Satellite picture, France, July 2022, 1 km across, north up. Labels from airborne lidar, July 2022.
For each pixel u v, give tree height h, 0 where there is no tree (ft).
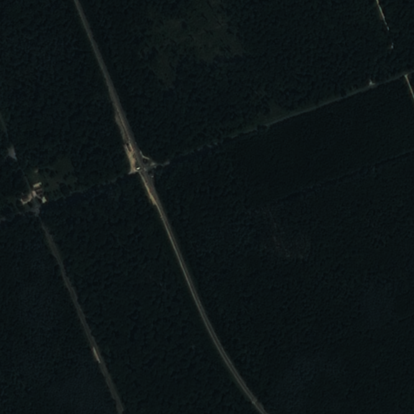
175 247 0
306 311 73
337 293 79
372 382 58
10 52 80
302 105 91
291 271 82
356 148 30
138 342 102
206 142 33
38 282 70
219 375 33
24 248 80
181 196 90
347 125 48
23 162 75
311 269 68
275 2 78
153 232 94
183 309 90
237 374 0
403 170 61
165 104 85
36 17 87
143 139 74
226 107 90
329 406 85
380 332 56
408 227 78
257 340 73
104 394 72
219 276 65
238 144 38
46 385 79
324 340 76
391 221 75
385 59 91
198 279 39
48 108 105
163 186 38
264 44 83
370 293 80
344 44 88
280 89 36
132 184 78
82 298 76
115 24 75
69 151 71
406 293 62
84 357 71
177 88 85
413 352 73
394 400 84
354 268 73
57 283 76
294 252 72
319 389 82
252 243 70
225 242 69
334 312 73
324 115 34
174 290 88
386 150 35
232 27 86
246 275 38
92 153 94
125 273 93
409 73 0
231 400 80
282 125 35
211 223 73
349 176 65
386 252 58
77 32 52
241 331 83
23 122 89
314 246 66
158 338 90
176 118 88
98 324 82
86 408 70
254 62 87
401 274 52
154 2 91
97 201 94
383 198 69
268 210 71
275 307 75
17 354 73
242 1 84
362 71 94
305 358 83
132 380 58
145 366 86
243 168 47
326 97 77
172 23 0
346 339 79
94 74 40
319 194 71
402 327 65
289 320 71
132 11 81
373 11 69
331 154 43
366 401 71
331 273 64
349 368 74
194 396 83
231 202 55
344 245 65
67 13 89
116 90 33
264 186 47
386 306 77
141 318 97
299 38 87
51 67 83
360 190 65
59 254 0
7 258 78
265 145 31
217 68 86
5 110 90
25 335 64
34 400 60
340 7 74
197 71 90
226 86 76
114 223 88
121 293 91
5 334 68
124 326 97
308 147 36
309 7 70
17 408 70
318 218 70
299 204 85
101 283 97
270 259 74
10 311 70
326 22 68
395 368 78
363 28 72
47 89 101
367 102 30
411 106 33
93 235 86
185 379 90
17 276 80
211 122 91
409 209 78
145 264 85
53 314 65
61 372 70
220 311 78
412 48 88
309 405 74
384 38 80
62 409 68
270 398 84
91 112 80
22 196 38
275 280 78
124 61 90
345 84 87
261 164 31
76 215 100
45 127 95
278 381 88
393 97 30
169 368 99
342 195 63
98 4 77
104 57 41
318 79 83
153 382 77
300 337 82
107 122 74
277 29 88
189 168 87
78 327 73
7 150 71
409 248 66
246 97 72
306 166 32
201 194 82
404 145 35
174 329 87
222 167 94
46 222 90
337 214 72
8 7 96
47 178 0
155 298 70
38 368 74
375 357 69
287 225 73
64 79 94
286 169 32
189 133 80
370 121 31
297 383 93
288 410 83
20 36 49
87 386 82
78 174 83
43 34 87
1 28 93
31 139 99
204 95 64
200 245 74
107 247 86
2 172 86
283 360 80
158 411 67
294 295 70
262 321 80
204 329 29
